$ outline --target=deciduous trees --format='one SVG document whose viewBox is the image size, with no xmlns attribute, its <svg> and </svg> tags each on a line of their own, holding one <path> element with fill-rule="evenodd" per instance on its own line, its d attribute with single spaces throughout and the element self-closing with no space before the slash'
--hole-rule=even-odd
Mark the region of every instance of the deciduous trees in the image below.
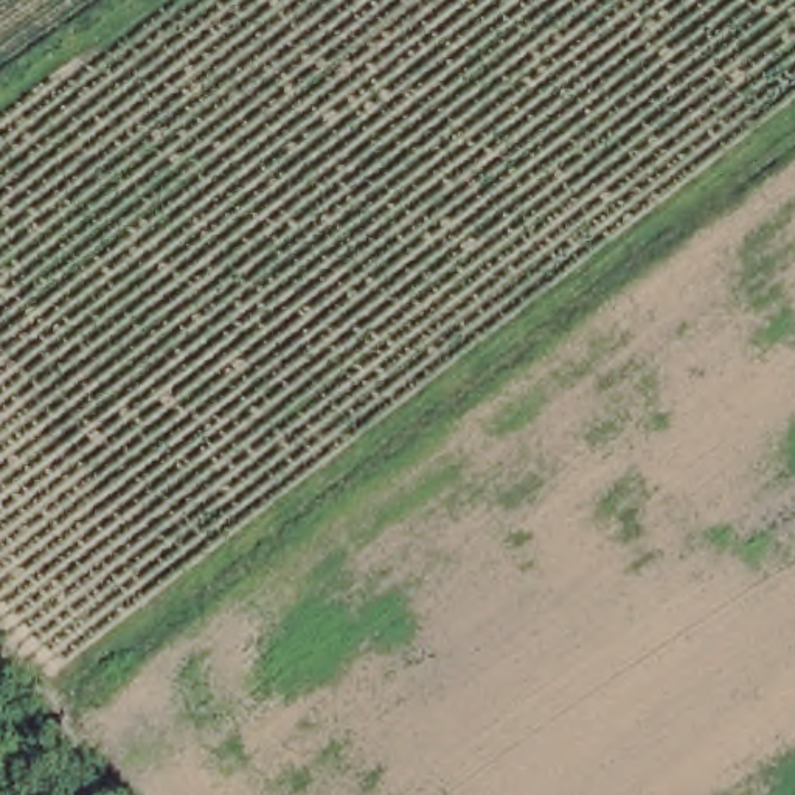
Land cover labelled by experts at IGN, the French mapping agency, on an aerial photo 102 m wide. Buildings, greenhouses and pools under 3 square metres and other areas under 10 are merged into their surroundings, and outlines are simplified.
<svg viewBox="0 0 795 795">
<path fill-rule="evenodd" d="M 75 745 L 62 736 L 62 714 L 43 705 L 47 689 L 43 680 L 43 674 L 31 665 L 31 658 L 22 649 L 12 658 L 0 652 L 0 795 L 137 795 L 130 783 L 118 773 L 115 761 L 106 752 Z"/>
</svg>

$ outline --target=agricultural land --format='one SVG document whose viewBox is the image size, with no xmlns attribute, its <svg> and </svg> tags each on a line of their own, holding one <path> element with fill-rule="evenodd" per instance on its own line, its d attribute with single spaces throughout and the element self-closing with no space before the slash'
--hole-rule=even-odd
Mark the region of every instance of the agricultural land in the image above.
<svg viewBox="0 0 795 795">
<path fill-rule="evenodd" d="M 742 270 L 727 283 L 730 311 L 758 311 L 767 320 L 767 326 L 752 332 L 752 348 L 745 351 L 748 360 L 767 360 L 767 351 L 776 342 L 795 348 L 795 196 L 786 199 L 764 224 L 758 224 L 742 239 Z"/>
<path fill-rule="evenodd" d="M 634 540 L 643 534 L 637 516 L 646 509 L 649 484 L 640 472 L 624 472 L 599 497 L 593 509 L 593 516 L 599 519 L 596 531 L 609 540 Z"/>
<path fill-rule="evenodd" d="M 761 581 L 767 581 L 776 568 L 795 565 L 795 419 L 786 438 L 779 432 L 764 432 L 764 453 L 752 463 L 752 469 L 767 481 L 755 488 L 748 500 L 739 503 L 739 516 L 730 525 L 696 528 L 683 534 L 683 547 L 689 553 L 717 547 L 742 559 Z"/>
<path fill-rule="evenodd" d="M 31 34 L 75 9 L 81 0 L 0 0 L 0 62 L 12 50 L 25 47 Z"/>
<path fill-rule="evenodd" d="M 758 773 L 748 773 L 730 795 L 795 795 L 795 748 L 776 755 Z"/>
<path fill-rule="evenodd" d="M 43 705 L 62 714 L 62 736 L 75 745 L 106 752 L 102 733 L 84 733 L 78 720 L 53 689 L 47 689 Z"/>
<path fill-rule="evenodd" d="M 248 693 L 242 699 L 211 696 L 211 665 L 205 661 L 211 658 L 208 649 L 214 646 L 214 637 L 202 627 L 205 618 L 193 621 L 180 637 L 189 643 L 193 655 L 180 665 L 171 699 L 161 708 L 137 711 L 124 736 L 106 752 L 115 761 L 118 773 L 130 783 L 137 773 L 155 776 L 165 767 L 165 758 L 196 745 L 199 752 L 217 755 L 214 770 L 230 776 L 230 789 L 236 795 L 373 795 L 385 770 L 370 767 L 363 748 L 351 742 L 354 730 L 345 720 L 345 711 L 351 708 L 351 702 L 360 702 L 360 693 L 379 693 L 404 668 L 438 661 L 438 652 L 416 637 L 416 627 L 435 612 L 429 596 L 444 587 L 444 581 L 450 581 L 453 568 L 460 565 L 460 556 L 453 556 L 450 550 L 438 550 L 438 540 L 447 531 L 447 525 L 460 522 L 463 509 L 472 509 L 478 503 L 488 506 L 488 525 L 494 528 L 494 540 L 512 547 L 509 559 L 519 571 L 534 571 L 537 547 L 525 531 L 531 512 L 528 503 L 537 503 L 556 491 L 559 463 L 543 460 L 531 472 L 528 447 L 519 447 L 516 457 L 497 460 L 484 472 L 475 472 L 469 460 L 478 463 L 497 438 L 528 425 L 553 398 L 559 398 L 584 376 L 596 382 L 599 398 L 593 422 L 587 429 L 590 447 L 609 441 L 624 425 L 665 432 L 671 422 L 658 398 L 658 373 L 649 363 L 624 360 L 612 373 L 602 373 L 599 366 L 602 357 L 621 351 L 630 342 L 630 332 L 599 332 L 587 320 L 581 320 L 559 345 L 553 345 L 547 354 L 540 354 L 534 363 L 528 363 L 509 382 L 503 382 L 488 401 L 463 413 L 463 419 L 453 422 L 450 435 L 441 444 L 425 450 L 416 463 L 404 466 L 401 472 L 373 484 L 351 509 L 323 522 L 311 534 L 311 540 L 304 540 L 301 547 L 289 547 L 276 568 L 255 578 L 252 593 L 224 602 L 230 612 L 261 621 L 258 661 L 252 668 Z"/>
</svg>

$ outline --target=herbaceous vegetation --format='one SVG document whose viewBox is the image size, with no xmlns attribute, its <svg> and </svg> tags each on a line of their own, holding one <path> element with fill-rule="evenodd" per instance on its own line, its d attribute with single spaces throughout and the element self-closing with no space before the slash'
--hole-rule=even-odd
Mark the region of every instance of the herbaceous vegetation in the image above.
<svg viewBox="0 0 795 795">
<path fill-rule="evenodd" d="M 289 547 L 301 547 L 304 540 L 311 540 L 311 534 L 323 522 L 351 509 L 373 484 L 401 472 L 404 466 L 416 463 L 425 450 L 441 444 L 450 435 L 453 422 L 463 419 L 463 413 L 488 401 L 503 382 L 509 382 L 528 363 L 534 363 L 540 354 L 547 354 L 553 345 L 559 345 L 581 320 L 587 320 L 621 289 L 646 276 L 677 248 L 683 248 L 702 227 L 739 208 L 745 196 L 755 193 L 767 177 L 779 174 L 786 165 L 795 161 L 795 106 L 783 99 L 752 130 L 739 134 L 733 143 L 714 152 L 714 165 L 702 177 L 683 183 L 671 202 L 646 214 L 624 236 L 602 239 L 602 245 L 584 255 L 584 267 L 578 273 L 565 270 L 550 286 L 534 292 L 506 320 L 500 320 L 494 329 L 488 329 L 481 338 L 463 348 L 453 360 L 447 360 L 441 370 L 422 379 L 419 391 L 398 413 L 388 416 L 382 410 L 373 422 L 366 422 L 357 432 L 360 441 L 351 438 L 348 453 L 342 453 L 323 469 L 323 488 L 304 475 L 295 478 L 298 488 L 289 497 L 283 497 L 270 516 L 258 516 L 258 522 L 248 522 L 236 537 L 230 537 L 230 547 L 214 553 L 211 562 L 183 575 L 165 599 L 152 602 L 146 612 L 134 615 L 127 624 L 121 624 L 109 640 L 93 646 L 75 665 L 43 680 L 47 689 L 53 689 L 78 720 L 84 711 L 106 708 L 115 699 L 115 693 L 121 693 L 130 683 L 130 677 L 158 649 L 180 637 L 193 621 L 205 618 L 217 612 L 224 602 L 252 593 L 255 578 L 276 568 Z"/>
<path fill-rule="evenodd" d="M 149 9 L 155 9 L 161 0 L 81 0 L 75 9 L 31 34 L 25 47 L 12 50 L 0 62 L 0 93 L 6 99 L 16 99 L 22 90 L 47 84 L 59 65 L 87 53 L 90 47 L 106 47 Z"/>
</svg>

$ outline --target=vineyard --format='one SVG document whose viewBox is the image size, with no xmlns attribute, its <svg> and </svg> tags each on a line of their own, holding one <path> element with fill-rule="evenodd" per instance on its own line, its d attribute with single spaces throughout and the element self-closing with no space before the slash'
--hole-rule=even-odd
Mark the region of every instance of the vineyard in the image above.
<svg viewBox="0 0 795 795">
<path fill-rule="evenodd" d="M 388 416 L 398 413 L 419 391 L 422 379 L 441 370 L 447 360 L 453 360 L 463 348 L 481 338 L 488 329 L 494 329 L 500 320 L 506 320 L 534 292 L 550 286 L 565 270 L 578 273 L 584 267 L 584 255 L 602 245 L 602 239 L 624 236 L 646 214 L 671 202 L 683 183 L 702 177 L 714 165 L 714 152 L 733 143 L 739 134 L 752 130 L 783 99 L 795 106 L 795 0 L 161 0 L 155 9 L 149 9 L 106 47 L 90 47 L 87 53 L 59 65 L 47 84 L 22 90 L 16 99 L 6 99 L 0 93 L 0 652 L 12 658 L 22 649 L 31 658 L 31 665 L 43 674 L 43 680 L 75 665 L 93 646 L 109 640 L 121 624 L 127 624 L 134 615 L 146 612 L 152 602 L 165 599 L 183 575 L 211 562 L 214 553 L 230 547 L 230 537 L 236 537 L 248 522 L 258 522 L 258 516 L 270 516 L 283 497 L 289 497 L 298 488 L 295 478 L 304 475 L 323 488 L 323 469 L 342 453 L 348 453 L 351 438 L 360 441 L 357 432 L 366 422 L 373 422 L 382 410 Z"/>
</svg>

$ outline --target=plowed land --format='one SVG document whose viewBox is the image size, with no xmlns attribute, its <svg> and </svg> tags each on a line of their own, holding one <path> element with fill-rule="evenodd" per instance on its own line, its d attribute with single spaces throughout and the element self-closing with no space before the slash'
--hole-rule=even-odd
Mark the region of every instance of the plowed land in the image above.
<svg viewBox="0 0 795 795">
<path fill-rule="evenodd" d="M 739 503 L 748 500 L 755 488 L 767 481 L 752 469 L 752 463 L 764 453 L 764 432 L 779 432 L 786 438 L 795 419 L 795 348 L 776 342 L 767 351 L 767 360 L 748 360 L 745 351 L 752 348 L 752 332 L 767 326 L 767 320 L 758 311 L 730 311 L 727 283 L 742 270 L 742 239 L 758 224 L 764 224 L 786 199 L 795 196 L 795 161 L 786 165 L 779 174 L 767 177 L 755 193 L 745 196 L 739 208 L 702 227 L 683 248 L 677 248 L 646 276 L 621 289 L 587 320 L 599 332 L 630 332 L 630 342 L 621 351 L 602 357 L 599 366 L 602 373 L 612 373 L 624 360 L 649 363 L 658 373 L 658 398 L 671 422 L 665 432 L 624 425 L 609 441 L 590 447 L 587 429 L 593 422 L 599 398 L 596 382 L 584 376 L 559 398 L 553 398 L 528 425 L 497 438 L 478 463 L 469 460 L 475 472 L 484 472 L 497 460 L 516 457 L 519 447 L 528 447 L 531 472 L 543 460 L 559 463 L 556 491 L 537 503 L 528 503 L 531 512 L 525 531 L 537 547 L 534 571 L 519 571 L 509 559 L 512 547 L 494 540 L 494 528 L 488 525 L 488 506 L 478 503 L 472 509 L 463 509 L 460 522 L 447 525 L 447 531 L 438 540 L 438 550 L 450 550 L 453 556 L 460 556 L 460 565 L 453 568 L 450 581 L 444 581 L 444 587 L 429 596 L 435 612 L 416 627 L 416 637 L 438 652 L 438 661 L 404 668 L 379 693 L 360 693 L 360 702 L 351 702 L 351 708 L 345 711 L 345 720 L 354 730 L 351 742 L 363 748 L 370 767 L 385 770 L 373 795 L 730 795 L 748 773 L 758 773 L 776 755 L 795 748 L 795 565 L 776 568 L 767 581 L 761 581 L 742 559 L 717 547 L 689 553 L 683 547 L 683 534 L 696 528 L 730 525 L 739 516 Z M 649 484 L 646 509 L 637 516 L 643 534 L 634 540 L 609 540 L 596 531 L 599 519 L 593 516 L 593 509 L 599 497 L 624 472 L 640 472 Z"/>
<path fill-rule="evenodd" d="M 230 789 L 230 776 L 214 770 L 217 755 L 199 752 L 196 745 L 165 758 L 165 767 L 155 776 L 137 773 L 130 783 L 137 795 L 236 795 Z"/>
<path fill-rule="evenodd" d="M 78 720 L 84 733 L 102 733 L 106 752 L 124 736 L 137 711 L 161 708 L 171 699 L 180 665 L 193 655 L 189 643 L 180 637 L 158 649 L 130 677 L 130 683 L 121 693 L 115 693 L 115 699 L 106 708 L 84 711 Z"/>
<path fill-rule="evenodd" d="M 230 612 L 224 602 L 217 612 L 205 618 L 202 627 L 214 637 L 214 646 L 208 649 L 211 658 L 205 661 L 211 665 L 211 696 L 242 699 L 248 693 L 252 668 L 258 661 L 261 621 Z"/>
</svg>

